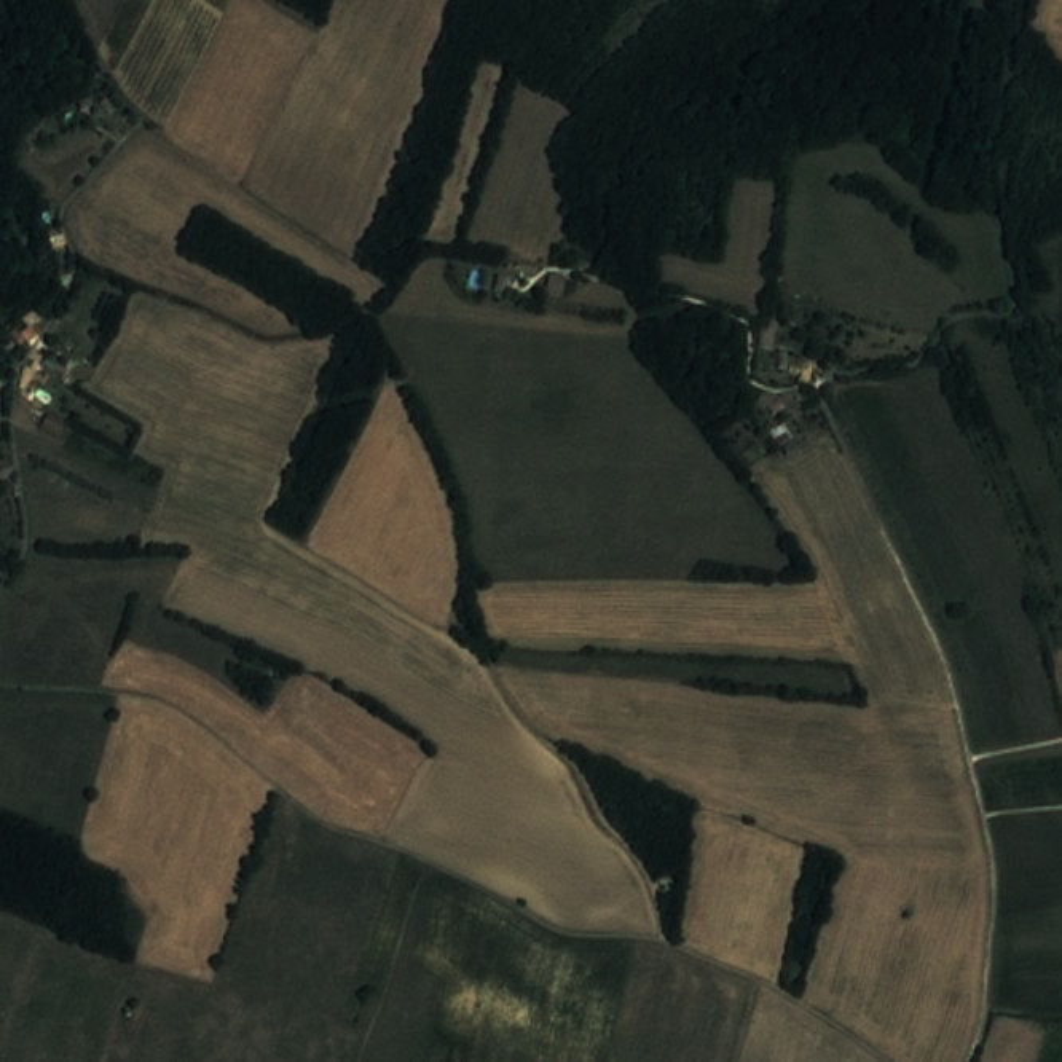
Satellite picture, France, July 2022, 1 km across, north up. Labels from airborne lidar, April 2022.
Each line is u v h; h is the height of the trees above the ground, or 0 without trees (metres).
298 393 0
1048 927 0
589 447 0
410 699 0
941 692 0
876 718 0
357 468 0
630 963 0
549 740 0
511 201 0
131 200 0
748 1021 0
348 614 0
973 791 0
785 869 0
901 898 0
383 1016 0
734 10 14
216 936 0
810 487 0
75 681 0
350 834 0
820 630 0
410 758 0
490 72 0
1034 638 0
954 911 0
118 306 8
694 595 0
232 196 0
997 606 0
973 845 0
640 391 0
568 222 11
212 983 0
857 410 0
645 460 0
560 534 0
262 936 0
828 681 0
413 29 0
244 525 0
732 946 0
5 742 0
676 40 16
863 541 0
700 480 0
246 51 0
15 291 13
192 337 0
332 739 0
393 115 0
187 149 0
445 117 12
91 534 0
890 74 20
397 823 0
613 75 14
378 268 12
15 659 0
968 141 17
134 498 0
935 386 0
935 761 0
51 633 0
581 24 12
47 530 0
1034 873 0
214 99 0
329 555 0
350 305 10
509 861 0
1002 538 0
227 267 13
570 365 0
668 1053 0
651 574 0
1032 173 9
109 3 0
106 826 0
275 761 0
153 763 0
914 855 0
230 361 0
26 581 0
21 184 13
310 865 0
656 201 12
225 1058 0
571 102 13
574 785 0
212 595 0
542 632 0
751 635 0
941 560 0
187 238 14
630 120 18
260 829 13
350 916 0
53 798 0
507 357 0
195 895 0
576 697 0
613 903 0
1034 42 15
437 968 0
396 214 10
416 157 5
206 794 0
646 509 0
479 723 0
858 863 0
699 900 0
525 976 0
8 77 26
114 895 19
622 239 20
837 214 0
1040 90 7
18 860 17
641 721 0
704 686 10
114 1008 0
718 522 0
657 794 11
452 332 0
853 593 0
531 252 0
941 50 17
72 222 0
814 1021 0
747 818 8
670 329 11
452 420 0
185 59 0
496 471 0
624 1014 0
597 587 0
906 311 0
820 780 0
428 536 0
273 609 0
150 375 0
